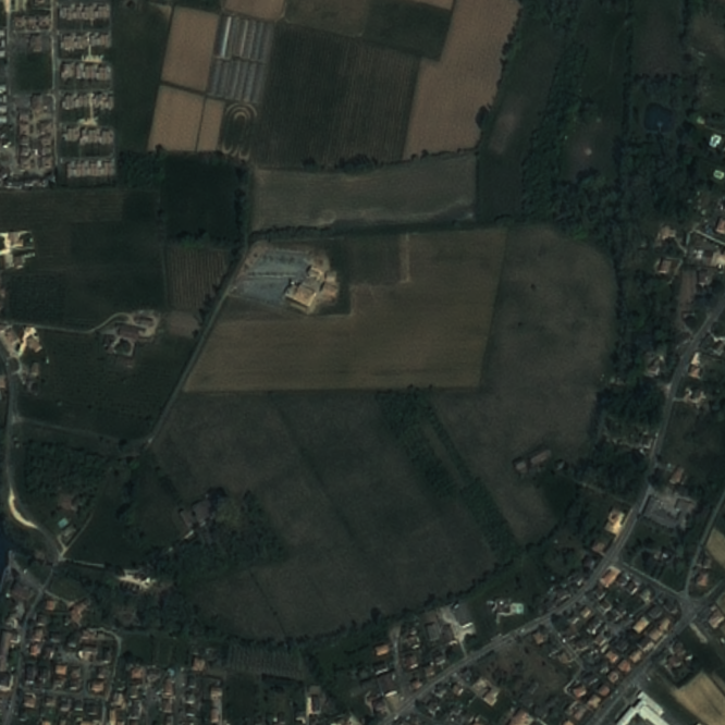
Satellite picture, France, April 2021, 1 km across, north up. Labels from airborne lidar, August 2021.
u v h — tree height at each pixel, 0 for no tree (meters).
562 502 0
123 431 0
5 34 0
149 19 0
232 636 8
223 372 0
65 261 0
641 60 0
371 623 11
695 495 19
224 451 0
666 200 33
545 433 0
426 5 0
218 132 0
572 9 7
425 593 0
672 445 0
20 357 0
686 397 0
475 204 0
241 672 23
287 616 0
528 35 0
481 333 0
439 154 7
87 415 0
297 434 0
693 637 0
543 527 0
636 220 21
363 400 0
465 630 0
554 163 7
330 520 0
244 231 18
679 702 0
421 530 0
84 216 0
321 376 0
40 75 0
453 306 0
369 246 0
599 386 0
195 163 0
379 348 0
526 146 0
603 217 20
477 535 0
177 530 0
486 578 7
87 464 8
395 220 0
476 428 0
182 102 0
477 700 0
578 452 0
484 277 0
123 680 0
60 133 6
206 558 17
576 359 0
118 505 0
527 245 0
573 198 30
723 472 0
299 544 0
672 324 8
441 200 0
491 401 0
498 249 0
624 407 23
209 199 0
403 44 0
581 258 0
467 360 0
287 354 0
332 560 0
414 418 12
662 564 6
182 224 0
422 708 13
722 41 0
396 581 0
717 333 9
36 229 0
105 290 0
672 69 0
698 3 20
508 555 12
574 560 17
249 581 0
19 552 0
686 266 6
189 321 0
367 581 0
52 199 0
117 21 0
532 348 0
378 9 0
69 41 0
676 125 0
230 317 0
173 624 17
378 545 0
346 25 0
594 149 0
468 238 0
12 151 0
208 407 0
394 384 0
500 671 6
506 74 6
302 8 0
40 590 0
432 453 7
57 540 0
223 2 0
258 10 0
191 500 0
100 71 0
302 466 0
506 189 0
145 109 0
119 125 0
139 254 0
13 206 0
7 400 7
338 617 0
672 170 22
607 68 0
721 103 0
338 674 12
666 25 0
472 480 7
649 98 15
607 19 0
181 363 0
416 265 0
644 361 20
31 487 9
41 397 0
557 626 13
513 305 0
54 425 0
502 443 0
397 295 0
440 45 0
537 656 0
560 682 0
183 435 0
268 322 0
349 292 0
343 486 0
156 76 0
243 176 14
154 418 6
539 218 6
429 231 0
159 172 13
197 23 0
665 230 0
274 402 0
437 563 0
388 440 0
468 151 6
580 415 0
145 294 0
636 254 32
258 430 0
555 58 0
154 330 0
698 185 9
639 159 19
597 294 0
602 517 0
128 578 0
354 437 0
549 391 0
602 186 20
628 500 16
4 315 5
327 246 0
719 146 0
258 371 0
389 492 0
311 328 0
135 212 0
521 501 0
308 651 8
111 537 0
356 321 0
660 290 12
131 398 0
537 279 0
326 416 0
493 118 15
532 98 0
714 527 0
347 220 0
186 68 0
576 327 0
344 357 0
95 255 0
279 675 23
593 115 22
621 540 0
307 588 0
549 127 7
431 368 0
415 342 0
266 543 9
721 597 0
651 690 0
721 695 0
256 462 0
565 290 0
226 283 10
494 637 0
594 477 31
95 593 16
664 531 12
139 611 12
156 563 11
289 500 0
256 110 0
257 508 10
